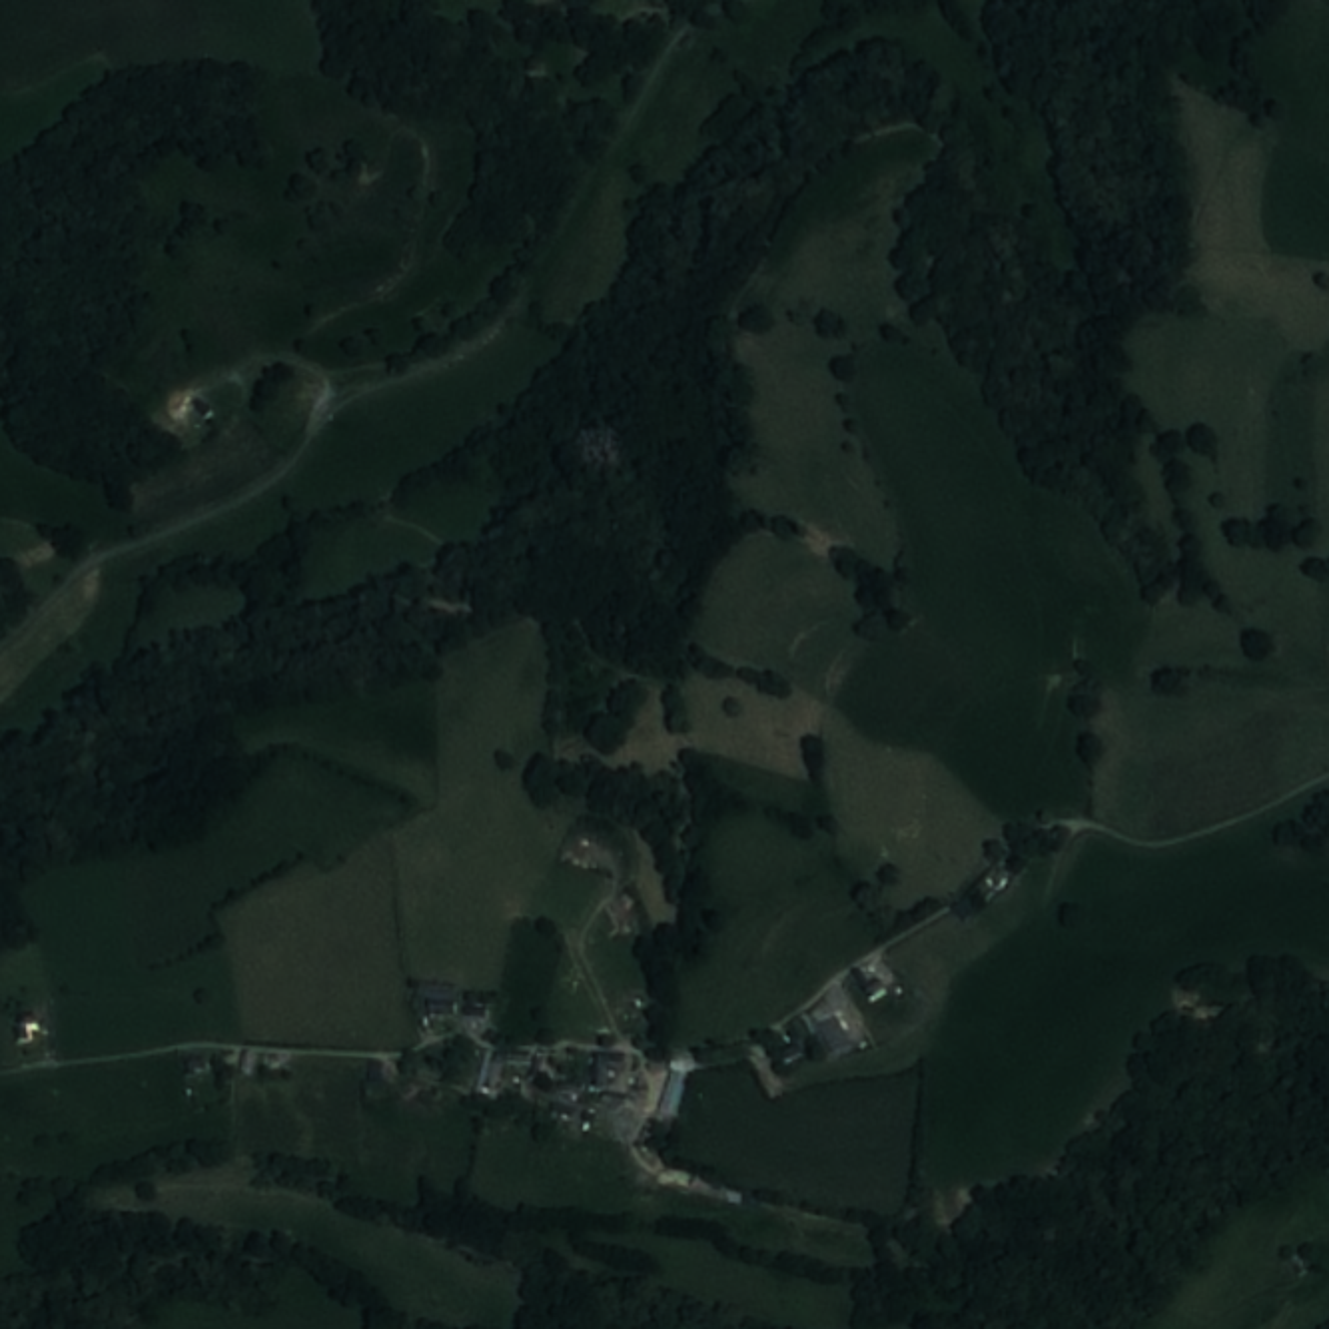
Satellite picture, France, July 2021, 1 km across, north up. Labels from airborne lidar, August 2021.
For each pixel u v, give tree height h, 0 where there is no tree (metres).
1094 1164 21
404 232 0
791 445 0
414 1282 0
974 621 0
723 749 0
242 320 0
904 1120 0
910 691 0
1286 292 0
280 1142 0
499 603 22
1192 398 0
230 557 8
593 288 0
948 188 21
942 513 0
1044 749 0
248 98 22
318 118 0
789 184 18
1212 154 0
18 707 0
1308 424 0
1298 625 0
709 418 9
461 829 0
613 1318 22
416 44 25
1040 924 0
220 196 0
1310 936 0
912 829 0
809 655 0
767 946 0
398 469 0
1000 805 0
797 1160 0
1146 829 0
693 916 18
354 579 0
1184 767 0
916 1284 11
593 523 19
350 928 0
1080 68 16
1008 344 24
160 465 25
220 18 0
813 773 10
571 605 22
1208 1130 18
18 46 0
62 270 26
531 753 0
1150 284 22
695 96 0
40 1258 22
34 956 0
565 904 0
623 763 0
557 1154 0
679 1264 0
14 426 29
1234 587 0
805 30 0
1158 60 23
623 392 26
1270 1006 19
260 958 0
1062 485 22
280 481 0
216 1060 8
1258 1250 0
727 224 22
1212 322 0
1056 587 0
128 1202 0
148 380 0
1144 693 0
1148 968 0
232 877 0
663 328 27
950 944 0
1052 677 0
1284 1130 23
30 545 0
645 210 12
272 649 17
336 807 0
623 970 0
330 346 0
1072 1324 14
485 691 0
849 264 0
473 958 0
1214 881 0
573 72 0
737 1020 0
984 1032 0
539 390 17
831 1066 0
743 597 0
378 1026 0
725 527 16
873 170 0
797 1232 0
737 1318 21
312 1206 0
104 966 0
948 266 24
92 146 18
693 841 17
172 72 18
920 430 0
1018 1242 20
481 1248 24
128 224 27
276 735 0
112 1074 0
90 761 23
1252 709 0
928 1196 16
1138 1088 12
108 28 0
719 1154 0
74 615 0
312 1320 0
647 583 16
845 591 0
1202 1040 17
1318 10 0
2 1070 0
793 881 0
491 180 23
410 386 0
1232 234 0
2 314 19
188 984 0
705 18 24
